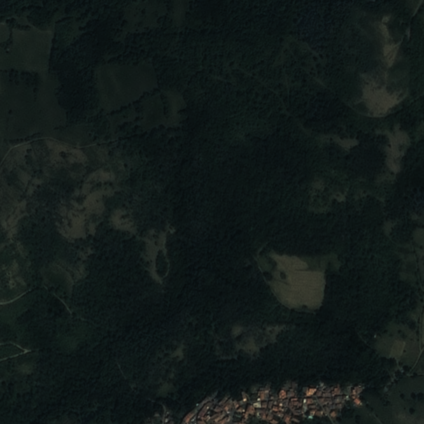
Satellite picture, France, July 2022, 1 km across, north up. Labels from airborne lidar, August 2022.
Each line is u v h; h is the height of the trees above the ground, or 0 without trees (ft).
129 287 26
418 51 25
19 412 70
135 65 30
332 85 25
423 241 0
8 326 25
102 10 70
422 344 0
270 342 34
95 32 36
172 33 25
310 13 54
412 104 20
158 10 0
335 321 36
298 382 26
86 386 43
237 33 47
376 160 40
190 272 77
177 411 40
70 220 26
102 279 65
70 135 0
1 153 0
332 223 52
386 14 0
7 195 0
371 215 34
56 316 65
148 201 34
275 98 27
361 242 47
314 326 52
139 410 79
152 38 44
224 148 41
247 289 65
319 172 19
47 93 0
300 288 0
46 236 41
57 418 74
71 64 26
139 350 62
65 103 39
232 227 63
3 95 0
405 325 53
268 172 49
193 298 51
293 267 0
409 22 33
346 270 60
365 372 73
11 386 45
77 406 31
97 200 23
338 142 0
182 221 77
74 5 47
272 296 24
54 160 0
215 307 22
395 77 0
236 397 44
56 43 43
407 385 0
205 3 46
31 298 25
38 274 43
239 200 69
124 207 33
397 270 25
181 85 45
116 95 0
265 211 50
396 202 29
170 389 0
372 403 0
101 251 28
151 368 59
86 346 56
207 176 50
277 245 33
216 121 40
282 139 40
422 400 43
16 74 22
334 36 24
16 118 0
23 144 0
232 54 35
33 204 20
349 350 71
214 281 50
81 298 41
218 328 69
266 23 41
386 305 52
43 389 58
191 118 40
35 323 41
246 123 19
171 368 34
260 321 33
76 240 26
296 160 51
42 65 0
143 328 95
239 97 41
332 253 25
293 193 34
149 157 47
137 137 38
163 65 36
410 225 52
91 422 64
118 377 46
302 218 51
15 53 0
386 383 56
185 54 31
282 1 47
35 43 0
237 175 52
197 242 65
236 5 48
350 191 23
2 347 21
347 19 25
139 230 34
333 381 32
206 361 35
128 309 50
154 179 42
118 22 32
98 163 0
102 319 53
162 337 52
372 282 47
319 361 54
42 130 0
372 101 0
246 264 43
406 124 39
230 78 18
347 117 33
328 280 41
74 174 0
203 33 53
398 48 0
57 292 35
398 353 0
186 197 74
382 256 53
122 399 90
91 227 0
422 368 0
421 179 27
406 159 54
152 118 0
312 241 54
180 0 0
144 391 35
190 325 51
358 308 66
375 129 23
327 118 42
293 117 20
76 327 26
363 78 0
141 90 0
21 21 0
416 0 0
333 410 26
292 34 38
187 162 86
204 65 20
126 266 59
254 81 22
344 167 20
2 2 36
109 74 0
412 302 46
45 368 60
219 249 59
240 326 30
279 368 74
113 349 69
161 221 28
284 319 32
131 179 40
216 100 36
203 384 68
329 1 23
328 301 43
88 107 32
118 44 33
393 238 27
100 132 28
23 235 37
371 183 28
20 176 0
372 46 0
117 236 30
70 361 55
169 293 66
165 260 24
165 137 61
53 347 25
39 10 41
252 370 73
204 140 28
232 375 54
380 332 52
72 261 41
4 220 0
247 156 42
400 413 0
